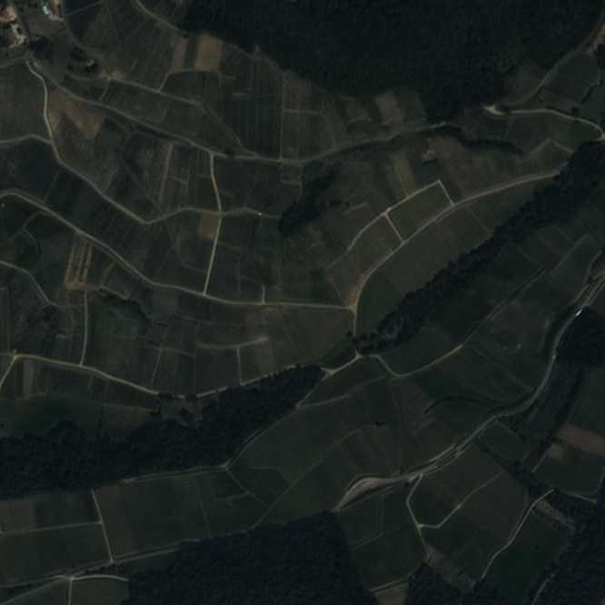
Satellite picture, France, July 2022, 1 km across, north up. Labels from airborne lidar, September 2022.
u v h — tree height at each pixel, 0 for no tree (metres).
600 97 0
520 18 20
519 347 0
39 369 0
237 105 0
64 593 0
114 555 0
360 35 19
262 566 26
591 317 9
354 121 0
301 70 21
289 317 0
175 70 0
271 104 0
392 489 0
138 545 0
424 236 0
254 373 0
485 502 0
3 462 18
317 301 0
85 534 0
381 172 0
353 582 21
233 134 0
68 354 0
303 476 0
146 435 25
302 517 0
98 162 0
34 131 0
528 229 19
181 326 0
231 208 0
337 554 28
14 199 0
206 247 0
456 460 0
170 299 0
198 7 11
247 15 22
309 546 24
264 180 0
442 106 19
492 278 0
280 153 0
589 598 25
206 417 19
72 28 0
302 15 17
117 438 0
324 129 0
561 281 0
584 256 0
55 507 0
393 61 23
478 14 23
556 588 19
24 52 0
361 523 0
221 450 22
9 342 0
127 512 0
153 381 0
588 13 7
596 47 0
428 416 0
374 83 18
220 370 0
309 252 0
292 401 17
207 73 0
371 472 0
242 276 0
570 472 0
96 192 0
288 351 0
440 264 0
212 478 0
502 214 0
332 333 0
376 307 0
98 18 0
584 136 0
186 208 0
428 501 0
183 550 19
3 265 0
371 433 0
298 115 0
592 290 0
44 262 0
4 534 0
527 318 0
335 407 0
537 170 0
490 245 24
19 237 0
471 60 20
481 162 0
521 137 0
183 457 18
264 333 0
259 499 0
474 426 0
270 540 26
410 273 0
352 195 0
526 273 0
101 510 0
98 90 0
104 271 0
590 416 0
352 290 0
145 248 0
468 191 0
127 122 0
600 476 0
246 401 23
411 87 21
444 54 23
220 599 24
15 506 0
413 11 23
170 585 21
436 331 0
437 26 22
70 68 10
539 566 0
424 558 0
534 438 0
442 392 0
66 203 0
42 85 0
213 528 0
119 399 0
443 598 10
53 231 0
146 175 0
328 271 0
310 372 19
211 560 30
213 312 0
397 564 0
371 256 0
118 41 0
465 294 0
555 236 0
